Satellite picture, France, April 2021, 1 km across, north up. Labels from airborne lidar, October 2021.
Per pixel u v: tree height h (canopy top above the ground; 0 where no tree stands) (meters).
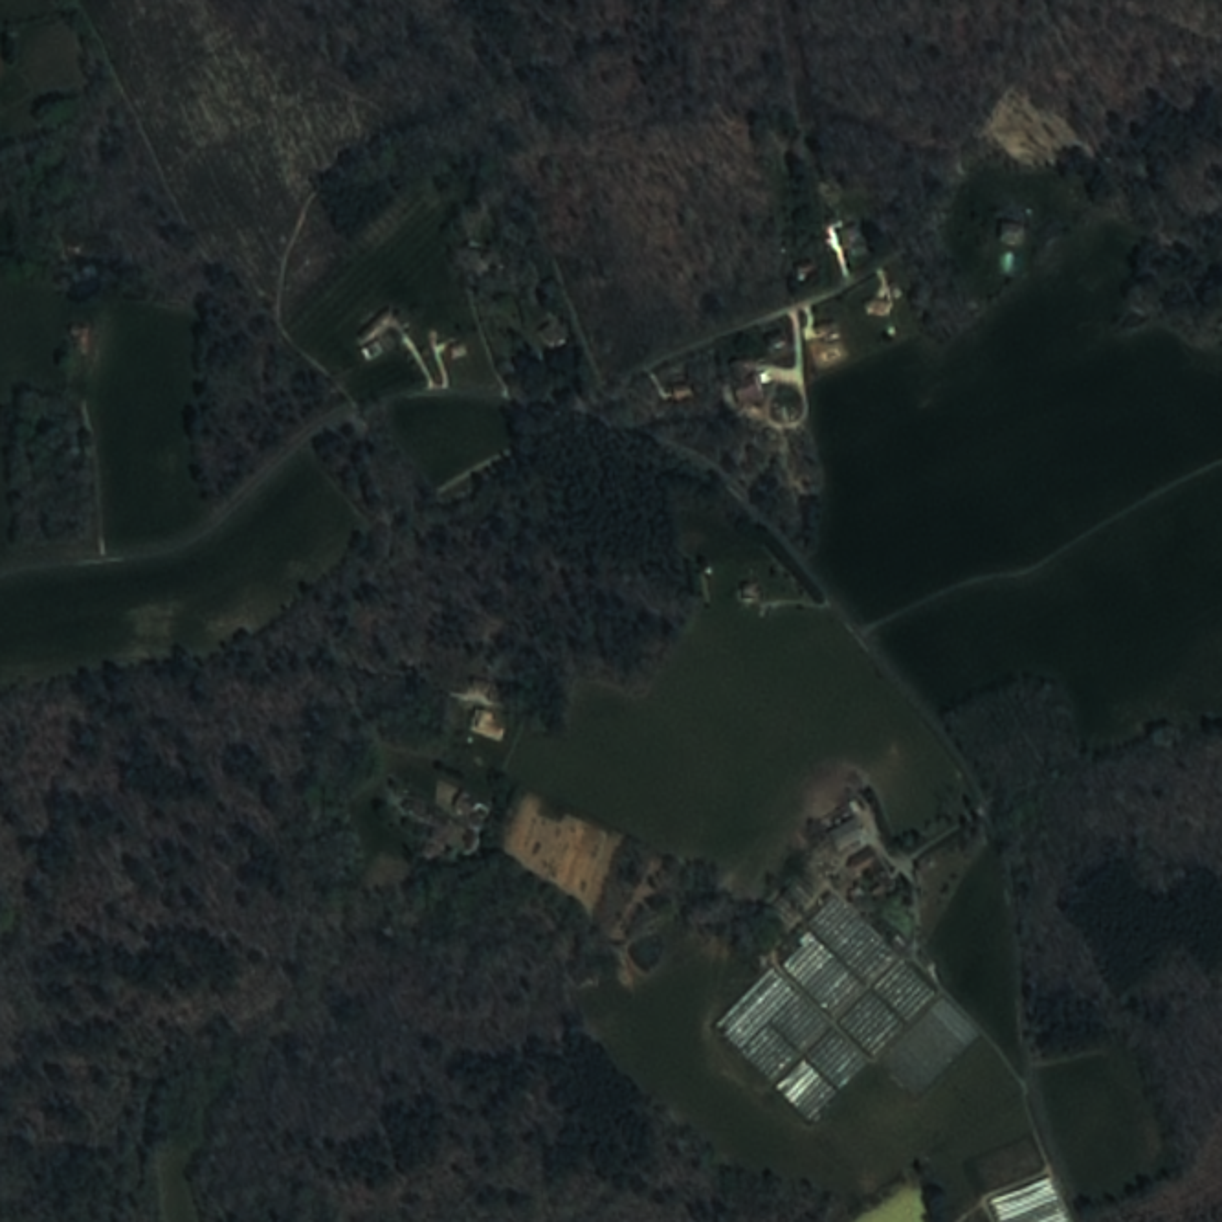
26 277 20
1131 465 0
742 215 11
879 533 0
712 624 0
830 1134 0
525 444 27
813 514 19
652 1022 0
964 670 0
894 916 0
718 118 11
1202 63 13
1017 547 0
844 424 0
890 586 0
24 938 13
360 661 12
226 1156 11
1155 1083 11
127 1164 12
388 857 0
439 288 0
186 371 0
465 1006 13
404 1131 18
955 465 0
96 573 0
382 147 19
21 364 0
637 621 21
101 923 11
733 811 0
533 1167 12
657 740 0
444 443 0
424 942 15
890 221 16
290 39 16
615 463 26
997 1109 0
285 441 8
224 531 0
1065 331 0
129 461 0
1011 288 8
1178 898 17
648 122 9
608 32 9
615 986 0
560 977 13
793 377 0
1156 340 0
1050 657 0
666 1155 14
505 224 15
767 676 0
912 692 0
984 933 0
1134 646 0
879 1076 0
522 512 9
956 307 17
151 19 0
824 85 17
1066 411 0
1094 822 25
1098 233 0
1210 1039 15
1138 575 0
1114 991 21
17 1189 29
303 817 14
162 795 22
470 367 0
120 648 0
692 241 7
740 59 17
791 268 7
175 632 0
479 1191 14
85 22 16
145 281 21
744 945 21
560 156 11
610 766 0
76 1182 31
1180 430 0
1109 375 0
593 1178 12
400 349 8
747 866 0
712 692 0
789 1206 5
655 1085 0
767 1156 0
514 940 12
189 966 14
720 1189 11
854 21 18
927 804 0
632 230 10
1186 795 13
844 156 17
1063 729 10
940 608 0
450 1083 9
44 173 14
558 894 11
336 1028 9
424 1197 13
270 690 20
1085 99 17
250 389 11
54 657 0
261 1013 19
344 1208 15
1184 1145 18
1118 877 21
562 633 10
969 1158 0
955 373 0
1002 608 0
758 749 0
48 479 19
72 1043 24
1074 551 0
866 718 0
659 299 12
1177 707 0
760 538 16
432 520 24
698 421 10
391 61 12
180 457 0
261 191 0
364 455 19
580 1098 20
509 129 15
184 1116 25
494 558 25
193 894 14
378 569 10
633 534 25
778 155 14
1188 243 17
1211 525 0
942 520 0
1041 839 13
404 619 7
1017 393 0
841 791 0
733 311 13
